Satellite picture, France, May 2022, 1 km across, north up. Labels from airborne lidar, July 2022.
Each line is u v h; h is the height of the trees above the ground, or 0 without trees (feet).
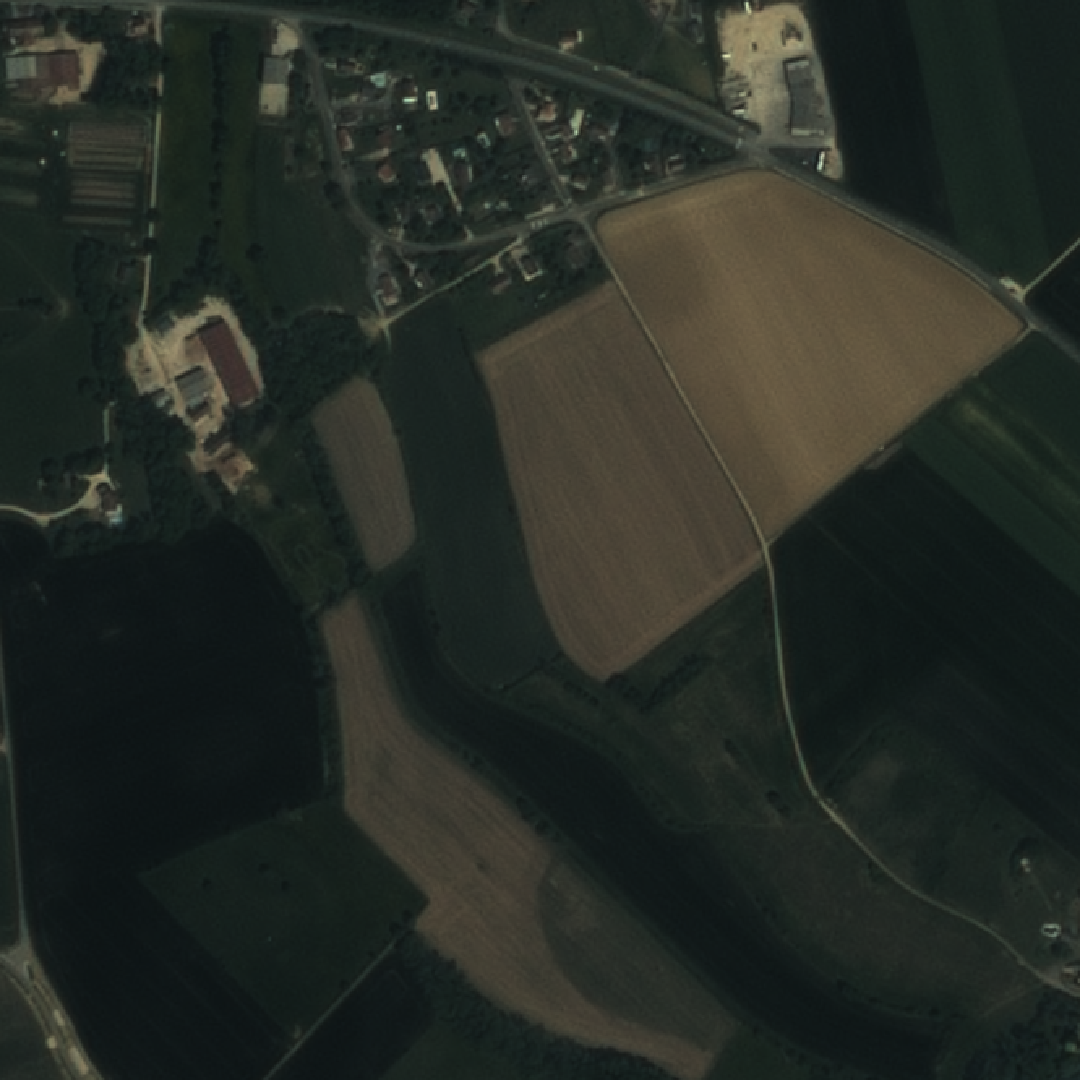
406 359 0
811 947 0
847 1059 0
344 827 0
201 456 0
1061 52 0
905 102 0
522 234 0
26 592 0
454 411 0
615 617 0
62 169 0
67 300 0
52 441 0
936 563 0
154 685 0
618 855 0
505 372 0
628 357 0
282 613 0
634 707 23
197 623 0
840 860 0
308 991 0
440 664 0
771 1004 0
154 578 0
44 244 0
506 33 0
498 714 0
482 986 0
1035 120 0
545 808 0
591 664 0
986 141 0
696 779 0
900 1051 0
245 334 28
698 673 46
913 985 0
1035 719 0
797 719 0
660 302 0
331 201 43
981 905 0
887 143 0
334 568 0
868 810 0
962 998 0
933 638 0
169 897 0
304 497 0
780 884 0
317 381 58
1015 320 0
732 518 0
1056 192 0
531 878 0
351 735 0
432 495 0
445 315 0
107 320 96
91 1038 0
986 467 0
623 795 0
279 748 0
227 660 0
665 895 0
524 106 0
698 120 0
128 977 0
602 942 0
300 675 0
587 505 0
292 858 0
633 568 0
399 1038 0
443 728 0
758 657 0
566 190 0
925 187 0
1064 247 0
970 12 0
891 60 0
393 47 28
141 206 0
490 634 0
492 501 0
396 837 0
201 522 68
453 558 0
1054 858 0
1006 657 0
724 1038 0
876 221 0
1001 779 0
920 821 0
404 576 0
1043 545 0
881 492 0
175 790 0
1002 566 0
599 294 0
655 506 0
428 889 0
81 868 0
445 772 0
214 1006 0
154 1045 0
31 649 0
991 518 0
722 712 0
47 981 0
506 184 24
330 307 0
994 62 0
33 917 0
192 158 0
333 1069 0
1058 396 0
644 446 0
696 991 0
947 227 0
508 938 0
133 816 0
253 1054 0
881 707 0
